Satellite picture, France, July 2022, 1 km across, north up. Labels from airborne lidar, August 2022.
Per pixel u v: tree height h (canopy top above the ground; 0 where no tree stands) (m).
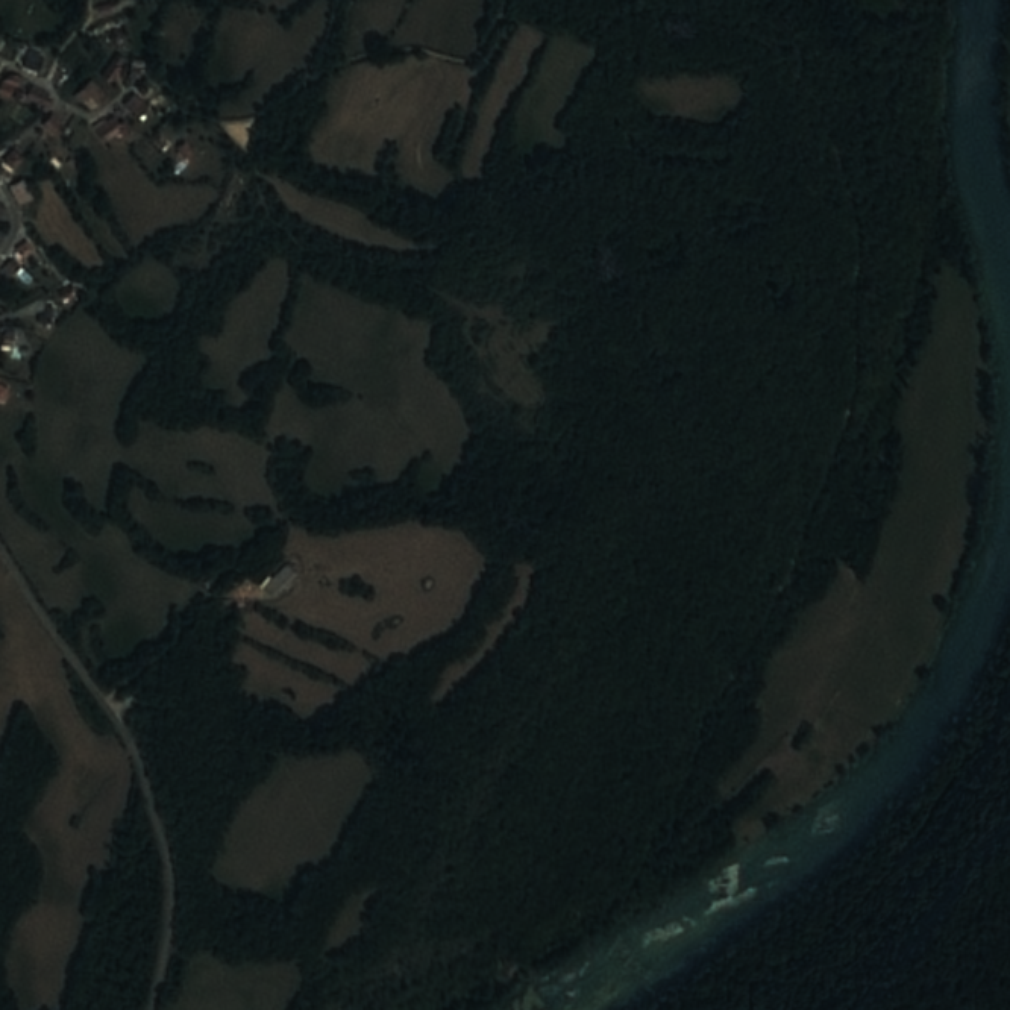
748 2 18
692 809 25
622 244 22
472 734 12
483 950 20
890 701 0
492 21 9
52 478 0
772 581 16
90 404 0
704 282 16
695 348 13
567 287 10
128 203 0
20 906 19
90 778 0
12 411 0
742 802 15
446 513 15
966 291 0
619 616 10
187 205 0
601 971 0
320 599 0
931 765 24
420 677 15
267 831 0
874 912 24
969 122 0
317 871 15
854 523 28
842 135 20
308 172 19
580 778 16
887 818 20
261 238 10
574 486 16
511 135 20
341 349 0
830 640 0
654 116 16
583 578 10
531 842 13
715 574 17
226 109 0
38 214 0
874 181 23
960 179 0
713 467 14
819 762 0
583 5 17
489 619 15
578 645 12
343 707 11
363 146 0
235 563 11
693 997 24
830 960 24
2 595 0
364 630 0
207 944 16
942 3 19
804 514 13
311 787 0
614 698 15
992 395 28
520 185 24
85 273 9
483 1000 21
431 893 10
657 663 17
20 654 0
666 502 16
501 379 0
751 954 24
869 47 19
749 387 15
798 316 15
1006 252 0
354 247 15
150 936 12
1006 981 24
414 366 0
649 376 12
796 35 11
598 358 15
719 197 13
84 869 0
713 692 19
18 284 9
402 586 0
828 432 11
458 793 8
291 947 19
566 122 11
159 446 0
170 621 10
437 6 0
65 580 0
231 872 0
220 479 0
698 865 24
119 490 14
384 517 9
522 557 9
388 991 11
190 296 7
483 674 14
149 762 10
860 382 15
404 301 11
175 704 11
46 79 0
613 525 18
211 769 15
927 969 17
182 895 13
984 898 16
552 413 9
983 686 13
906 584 0
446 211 20
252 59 0
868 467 29
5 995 14
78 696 11
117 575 0
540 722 10
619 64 17
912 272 18
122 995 9
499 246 9
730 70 13
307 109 13
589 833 19
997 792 24
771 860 0
